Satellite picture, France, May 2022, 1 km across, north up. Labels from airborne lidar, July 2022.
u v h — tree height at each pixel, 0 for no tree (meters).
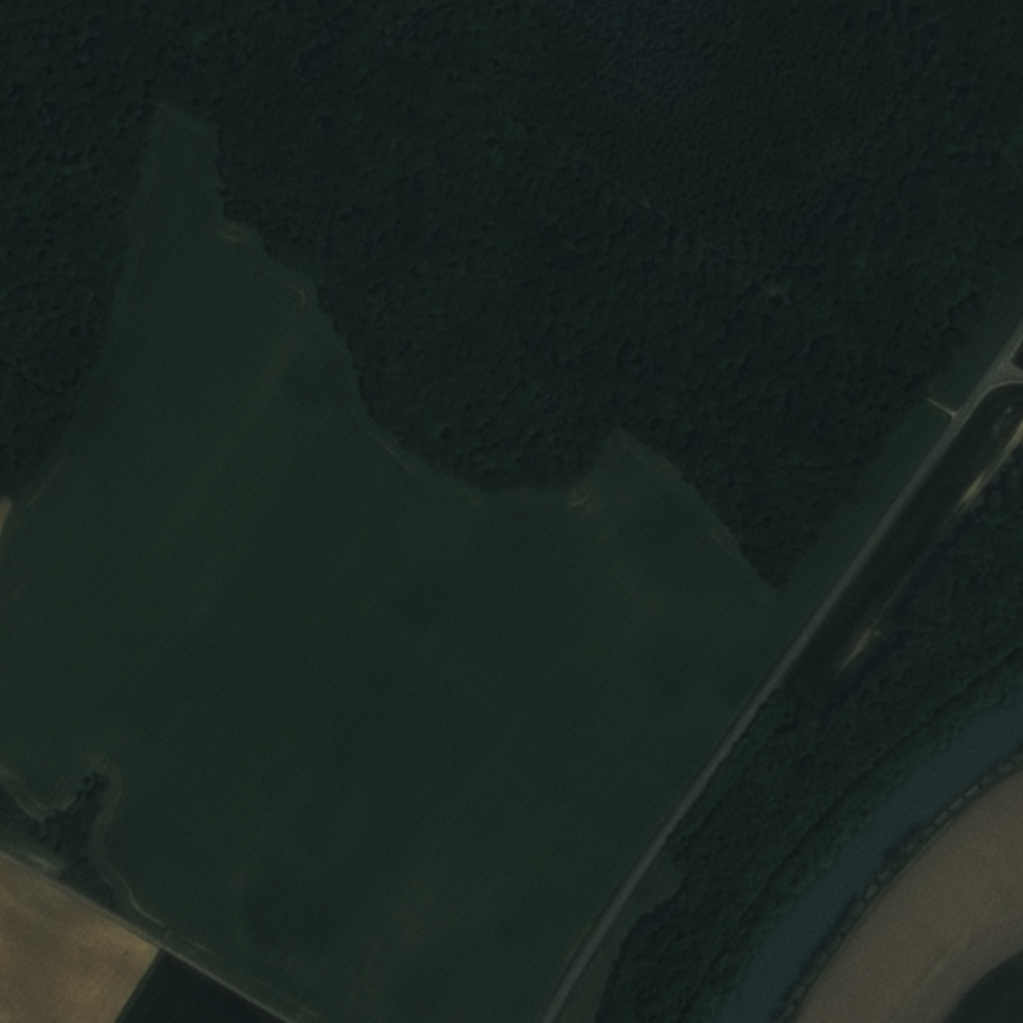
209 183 0
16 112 24
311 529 0
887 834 0
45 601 0
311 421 0
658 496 0
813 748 15
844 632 0
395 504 0
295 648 0
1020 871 0
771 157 17
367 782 0
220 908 0
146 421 0
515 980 0
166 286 0
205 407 0
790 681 0
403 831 0
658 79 24
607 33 22
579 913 0
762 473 27
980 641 7
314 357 0
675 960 23
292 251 14
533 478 23
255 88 25
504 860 0
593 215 31
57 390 23
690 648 0
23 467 24
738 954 21
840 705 13
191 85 22
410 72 23
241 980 0
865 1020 0
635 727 0
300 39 24
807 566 0
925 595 24
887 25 24
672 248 21
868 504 0
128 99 26
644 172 18
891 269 25
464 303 22
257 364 0
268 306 0
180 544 0
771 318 30
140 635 0
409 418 24
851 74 19
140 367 0
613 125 17
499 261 24
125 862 0
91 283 24
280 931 0
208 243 0
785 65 16
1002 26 26
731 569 0
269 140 26
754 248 18
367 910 0
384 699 0
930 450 0
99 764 0
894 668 19
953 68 29
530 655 0
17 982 0
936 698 21
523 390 27
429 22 24
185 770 0
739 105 16
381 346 23
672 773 0
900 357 27
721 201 17
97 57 32
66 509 0
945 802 0
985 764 0
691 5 23
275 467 0
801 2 17
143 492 0
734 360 30
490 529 0
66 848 6
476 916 0
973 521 17
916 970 0
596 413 23
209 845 0
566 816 0
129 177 22
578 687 0
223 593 0
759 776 15
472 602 0
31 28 23
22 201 22
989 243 28
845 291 27
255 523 0
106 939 0
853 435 26
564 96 18
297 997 0
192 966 0
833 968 0
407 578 0
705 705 0
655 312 24
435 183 25
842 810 23
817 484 26
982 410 0
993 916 0
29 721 0
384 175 23
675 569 0
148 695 0
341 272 23
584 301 25
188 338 0
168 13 29
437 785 0
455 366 23
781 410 25
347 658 0
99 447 0
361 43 22
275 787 0
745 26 15
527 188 21
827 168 20
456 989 0
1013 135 29
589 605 0
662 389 29
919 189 26
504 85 17
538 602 0
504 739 0
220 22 26
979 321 19
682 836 8
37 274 23
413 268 27
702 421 24
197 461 0
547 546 0
